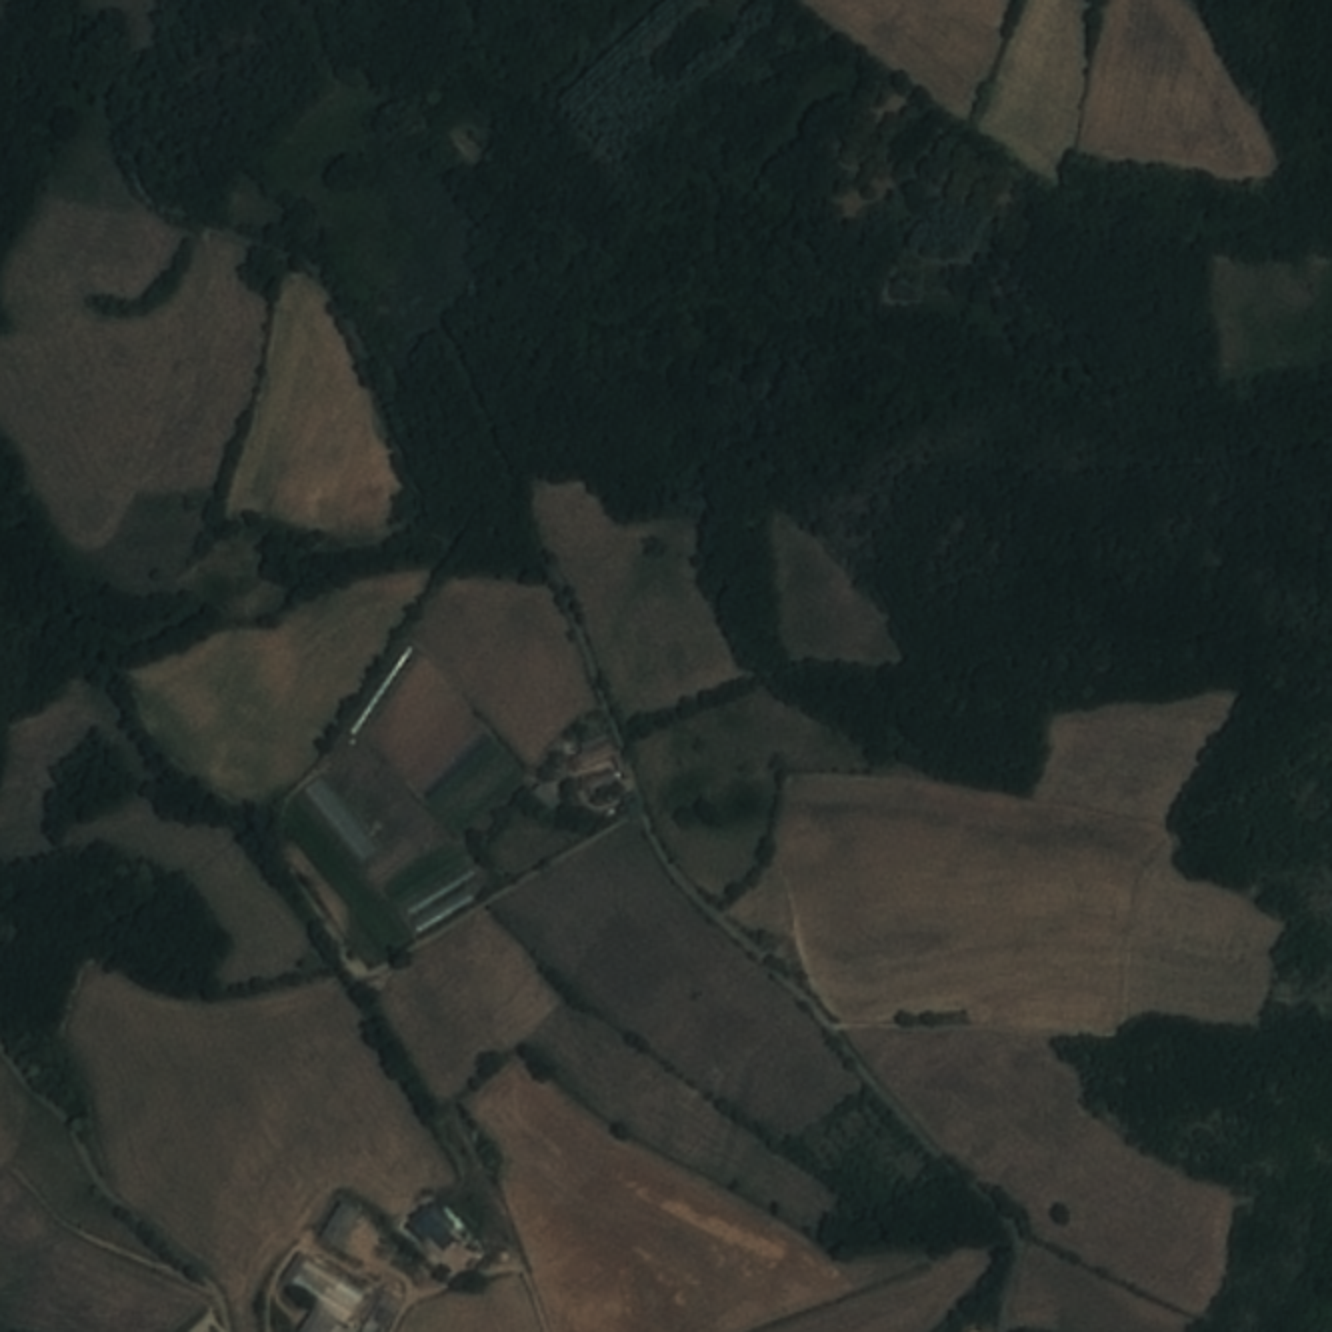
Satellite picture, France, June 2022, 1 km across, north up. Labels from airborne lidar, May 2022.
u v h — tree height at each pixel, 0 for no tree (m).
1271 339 0
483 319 18
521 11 17
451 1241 0
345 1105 0
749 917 0
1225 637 11
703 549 15
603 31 7
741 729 0
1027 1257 0
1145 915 0
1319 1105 12
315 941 12
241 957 0
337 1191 0
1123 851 0
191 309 0
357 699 7
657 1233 0
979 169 12
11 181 20
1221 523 11
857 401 8
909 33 0
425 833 0
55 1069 13
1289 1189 16
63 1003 17
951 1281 0
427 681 0
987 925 0
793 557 0
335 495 0
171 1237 0
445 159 11
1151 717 0
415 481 15
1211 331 14
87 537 0
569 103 19
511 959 0
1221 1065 8
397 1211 0
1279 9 11
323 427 0
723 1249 0
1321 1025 11
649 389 18
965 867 0
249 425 10
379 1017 8
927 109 13
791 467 14
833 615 0
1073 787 0
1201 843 13
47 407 0
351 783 0
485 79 11
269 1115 0
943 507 12
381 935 0
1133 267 19
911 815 0
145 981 19
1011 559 9
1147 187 17
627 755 9
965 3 0
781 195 13
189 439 0
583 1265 0
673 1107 0
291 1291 14
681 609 0
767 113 17
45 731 0
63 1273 0
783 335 12
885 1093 0
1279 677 10
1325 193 12
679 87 18
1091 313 17
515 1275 0
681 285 9
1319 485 17
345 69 14
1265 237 15
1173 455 7
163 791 17
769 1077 0
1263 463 13
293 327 0
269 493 0
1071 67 0
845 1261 21
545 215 13
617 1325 0
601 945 0
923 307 6
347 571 14
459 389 13
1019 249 11
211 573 0
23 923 18
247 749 0
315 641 0
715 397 22
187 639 18
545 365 17
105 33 12
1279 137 15
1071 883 0
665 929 0
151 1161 0
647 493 17
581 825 10
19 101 10
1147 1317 0
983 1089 0
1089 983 0
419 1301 0
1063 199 16
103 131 0
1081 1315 0
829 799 0
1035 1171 0
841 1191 8
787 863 0
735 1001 0
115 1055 0
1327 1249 12
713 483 18
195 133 13
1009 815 0
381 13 15
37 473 0
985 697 16
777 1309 0
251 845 17
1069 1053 12
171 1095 0
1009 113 0
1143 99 0
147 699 0
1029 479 13
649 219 11
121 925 16
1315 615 8
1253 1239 11
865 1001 0
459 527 16
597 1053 0
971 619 12
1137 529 11
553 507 0
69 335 0
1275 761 12
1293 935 8
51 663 18
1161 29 0
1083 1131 0
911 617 11
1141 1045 10
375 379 13
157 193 12
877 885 0
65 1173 0
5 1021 22
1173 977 0
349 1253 0
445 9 19
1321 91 13
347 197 0
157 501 0
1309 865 9
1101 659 11
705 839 0
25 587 20
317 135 0
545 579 16
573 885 0
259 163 11
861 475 10
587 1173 0
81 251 0
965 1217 16
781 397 19
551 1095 0
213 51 6
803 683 12
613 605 0
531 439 17
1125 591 11
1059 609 11
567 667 0
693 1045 0
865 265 17
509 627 0
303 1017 0
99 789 11
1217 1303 8
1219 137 0
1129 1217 0
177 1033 0
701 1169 0
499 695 0
